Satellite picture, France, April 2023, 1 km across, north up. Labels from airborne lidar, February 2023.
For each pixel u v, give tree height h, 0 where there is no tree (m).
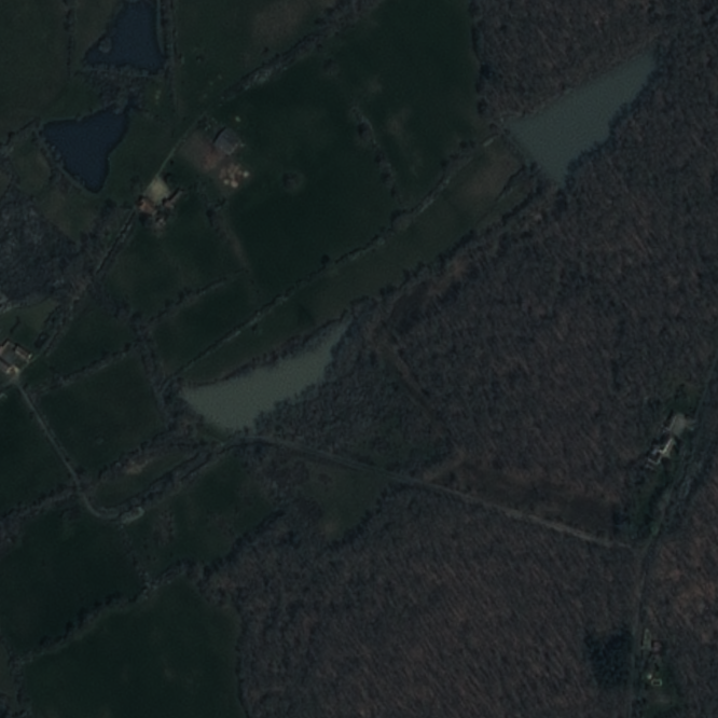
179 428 15
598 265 25
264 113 0
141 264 0
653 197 25
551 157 0
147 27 0
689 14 26
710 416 11
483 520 19
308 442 6
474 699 27
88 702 0
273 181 0
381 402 6
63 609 0
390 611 17
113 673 0
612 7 22
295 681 22
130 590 0
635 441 20
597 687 15
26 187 0
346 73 0
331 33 17
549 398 24
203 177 0
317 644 23
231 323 0
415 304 0
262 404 0
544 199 18
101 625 0
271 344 0
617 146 20
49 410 0
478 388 13
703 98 23
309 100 0
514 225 10
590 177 22
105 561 0
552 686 26
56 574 0
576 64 22
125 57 0
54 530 0
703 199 24
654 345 21
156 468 0
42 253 7
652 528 18
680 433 0
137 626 0
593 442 26
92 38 0
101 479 7
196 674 0
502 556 19
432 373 23
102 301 17
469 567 24
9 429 0
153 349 12
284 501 9
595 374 24
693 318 26
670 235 25
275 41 0
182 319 0
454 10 0
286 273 0
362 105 0
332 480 0
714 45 23
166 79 11
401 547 17
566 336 25
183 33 0
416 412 16
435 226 0
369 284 0
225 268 0
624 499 20
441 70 0
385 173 7
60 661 0
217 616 0
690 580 20
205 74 0
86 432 0
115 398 0
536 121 0
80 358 0
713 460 19
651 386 21
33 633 0
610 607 21
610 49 12
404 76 0
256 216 0
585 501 0
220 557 0
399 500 17
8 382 0
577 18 23
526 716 23
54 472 0
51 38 0
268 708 18
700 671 25
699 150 25
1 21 0
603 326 24
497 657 25
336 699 24
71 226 0
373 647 20
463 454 25
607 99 0
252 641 21
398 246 0
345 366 22
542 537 22
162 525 0
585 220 18
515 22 24
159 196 0
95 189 0
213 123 0
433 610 21
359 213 0
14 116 0
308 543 23
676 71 21
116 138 0
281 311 0
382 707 25
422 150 0
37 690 0
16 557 0
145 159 0
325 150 0
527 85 26
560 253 22
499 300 20
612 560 13
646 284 23
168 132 0
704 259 28
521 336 21
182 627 0
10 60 0
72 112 0
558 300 8
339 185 0
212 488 0
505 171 0
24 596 0
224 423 0
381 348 0
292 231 0
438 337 22
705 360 18
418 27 0
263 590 22
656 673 9
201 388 0
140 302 0
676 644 23
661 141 25
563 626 25
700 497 22
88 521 0
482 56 19
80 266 20
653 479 19
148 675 0
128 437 0
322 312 0
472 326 22
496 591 25
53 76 0
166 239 0
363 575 14
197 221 0
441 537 18
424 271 15
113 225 19
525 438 23
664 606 22
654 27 21
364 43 0
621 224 12
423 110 0
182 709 0
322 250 0
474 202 0
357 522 0
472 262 20
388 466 0
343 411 7
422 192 0
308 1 0
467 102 0
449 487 7
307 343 12
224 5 0
